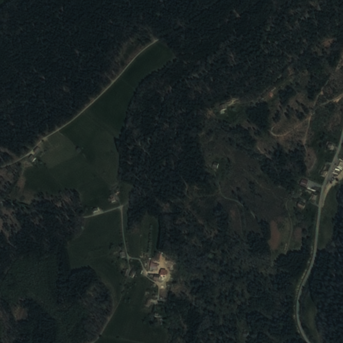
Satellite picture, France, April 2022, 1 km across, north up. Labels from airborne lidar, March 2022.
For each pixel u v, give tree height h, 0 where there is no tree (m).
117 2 21
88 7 21
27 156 0
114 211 0
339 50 24
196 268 33
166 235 18
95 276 28
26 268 11
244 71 34
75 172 0
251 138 27
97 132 0
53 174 0
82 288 27
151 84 19
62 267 20
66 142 0
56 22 18
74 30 18
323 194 0
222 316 8
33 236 25
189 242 25
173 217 21
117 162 0
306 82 9
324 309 20
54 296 8
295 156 28
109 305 30
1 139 27
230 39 27
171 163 35
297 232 0
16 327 22
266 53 25
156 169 33
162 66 0
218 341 6
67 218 20
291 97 39
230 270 6
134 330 0
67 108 16
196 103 30
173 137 36
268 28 27
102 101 0
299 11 39
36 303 7
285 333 29
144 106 19
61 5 17
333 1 30
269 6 13
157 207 28
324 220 0
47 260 8
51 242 24
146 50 0
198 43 15
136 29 19
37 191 0
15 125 13
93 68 19
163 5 25
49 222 25
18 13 21
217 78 28
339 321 11
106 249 0
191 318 15
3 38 18
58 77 20
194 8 21
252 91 24
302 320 18
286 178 21
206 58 9
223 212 30
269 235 27
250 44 29
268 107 38
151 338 0
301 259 30
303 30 27
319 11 29
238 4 20
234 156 0
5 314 22
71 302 24
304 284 0
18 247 26
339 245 32
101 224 0
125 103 0
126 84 0
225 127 19
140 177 26
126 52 0
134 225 23
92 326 28
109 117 0
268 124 38
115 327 0
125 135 16
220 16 20
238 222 0
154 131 21
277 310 20
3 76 22
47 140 0
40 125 24
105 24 24
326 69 10
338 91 7
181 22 19
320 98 10
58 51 15
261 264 27
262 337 31
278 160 23
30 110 25
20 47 21
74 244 0
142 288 0
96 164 0
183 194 23
